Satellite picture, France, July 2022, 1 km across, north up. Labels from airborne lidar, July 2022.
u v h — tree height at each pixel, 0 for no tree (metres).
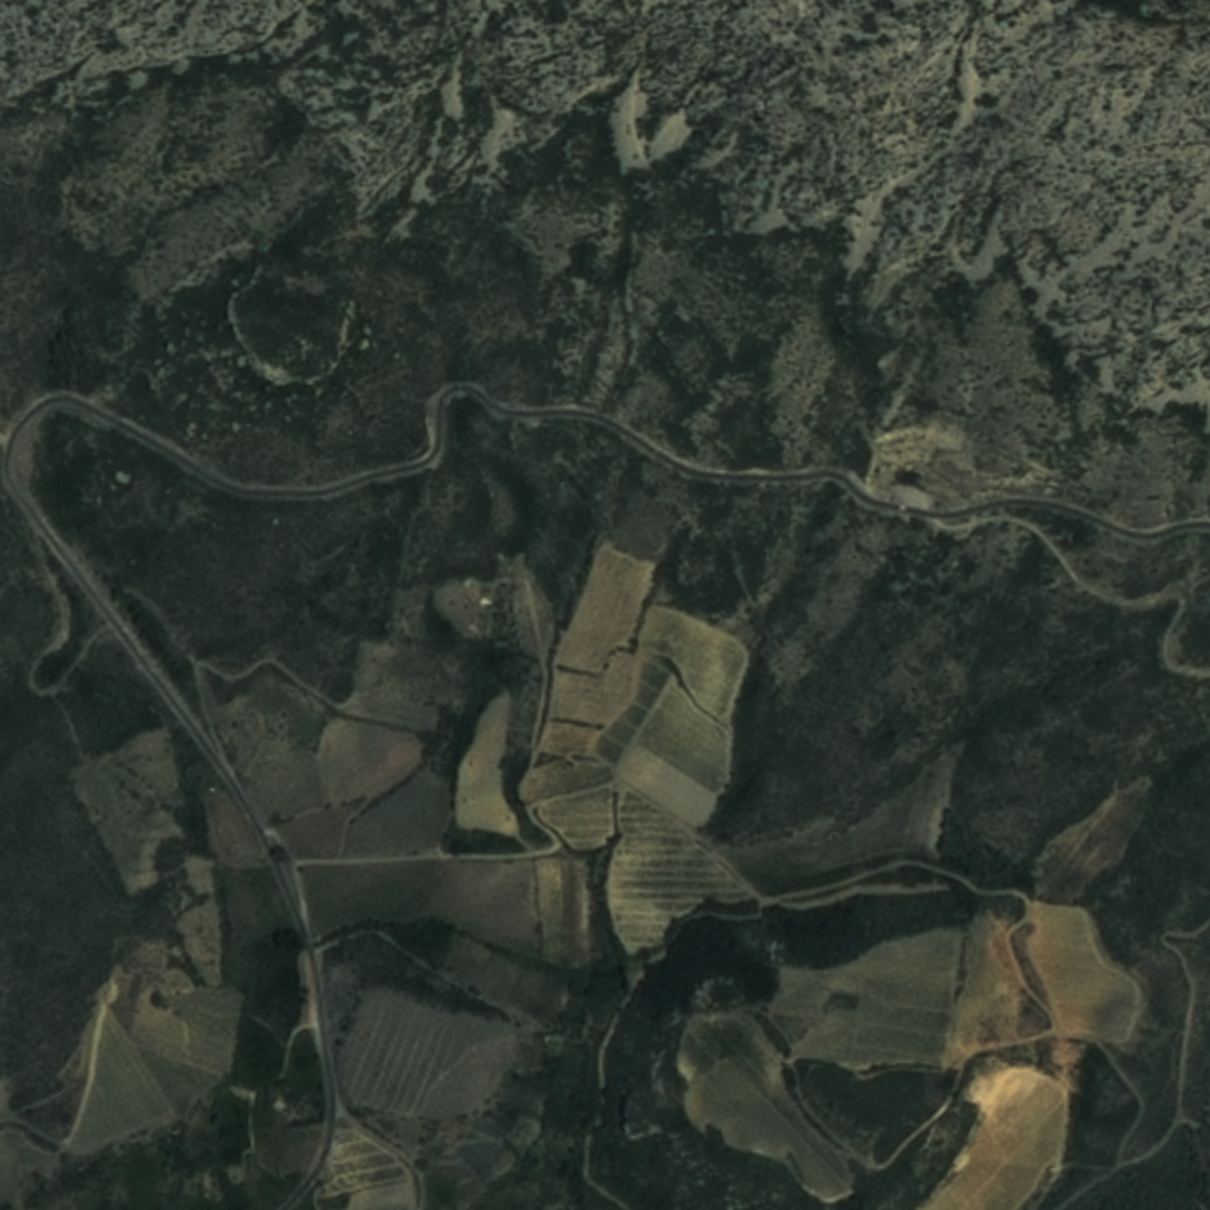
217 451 0
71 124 0
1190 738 0
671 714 0
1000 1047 0
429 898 0
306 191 0
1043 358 5
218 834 0
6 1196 0
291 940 17
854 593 0
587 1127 6
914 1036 0
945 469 0
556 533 0
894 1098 0
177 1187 6
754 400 0
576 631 0
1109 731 0
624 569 0
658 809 0
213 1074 0
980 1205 0
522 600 0
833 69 0
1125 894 0
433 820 0
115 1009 0
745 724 0
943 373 0
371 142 0
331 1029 0
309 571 0
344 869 0
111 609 0
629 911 0
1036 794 0
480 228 0
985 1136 0
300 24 0
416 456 0
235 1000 0
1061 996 0
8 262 0
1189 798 0
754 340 0
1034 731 0
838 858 0
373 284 0
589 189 0
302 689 0
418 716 0
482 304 0
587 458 0
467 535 0
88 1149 0
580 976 6
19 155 0
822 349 0
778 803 0
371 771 0
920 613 0
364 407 0
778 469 0
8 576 0
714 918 6
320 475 0
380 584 0
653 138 0
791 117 0
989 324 0
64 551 0
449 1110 0
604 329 0
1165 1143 0
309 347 0
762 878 0
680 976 7
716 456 0
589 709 0
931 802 0
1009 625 0
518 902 0
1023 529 0
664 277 0
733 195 0
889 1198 0
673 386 0
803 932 5
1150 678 0
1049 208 0
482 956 0
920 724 0
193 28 0
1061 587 0
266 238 0
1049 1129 0
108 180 0
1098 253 0
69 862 0
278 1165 0
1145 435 0
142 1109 0
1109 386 0
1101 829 0
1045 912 0
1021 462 0
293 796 0
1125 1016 0
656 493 0
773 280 0
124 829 0
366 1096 0
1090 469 0
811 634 0
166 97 0
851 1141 0
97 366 7
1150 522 0
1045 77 0
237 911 0
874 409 0
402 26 0
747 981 8
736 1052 0
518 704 0
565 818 0
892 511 0
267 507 0
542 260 0
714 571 0
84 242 0
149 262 0
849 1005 0
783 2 0
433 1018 0
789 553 0
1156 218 0
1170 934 0
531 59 13
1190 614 0
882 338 0
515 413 0
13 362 0
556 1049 0
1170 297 0
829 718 0
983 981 0
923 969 0
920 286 0
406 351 0
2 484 0
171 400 0
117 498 0
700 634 0
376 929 8
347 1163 0
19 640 0
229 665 0
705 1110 0
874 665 0
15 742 0
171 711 0
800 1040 0
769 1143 0
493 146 0
